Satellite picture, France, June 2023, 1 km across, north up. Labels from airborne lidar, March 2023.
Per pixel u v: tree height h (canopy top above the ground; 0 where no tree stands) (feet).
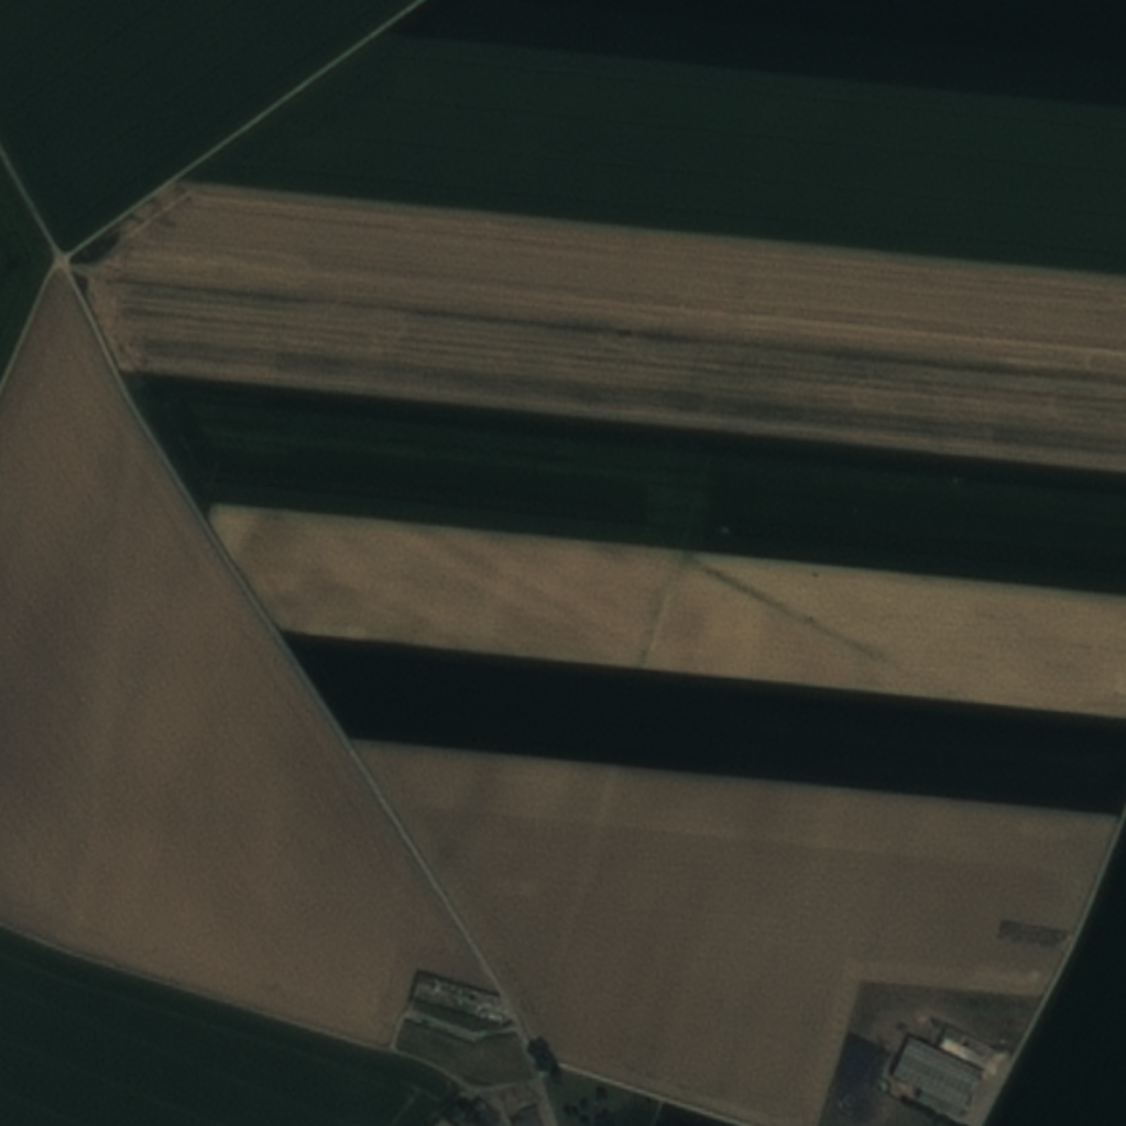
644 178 0
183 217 0
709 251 0
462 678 0
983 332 0
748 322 0
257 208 0
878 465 0
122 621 0
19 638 0
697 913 0
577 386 0
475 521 0
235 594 0
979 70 0
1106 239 0
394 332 0
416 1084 0
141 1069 0
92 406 0
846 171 0
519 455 0
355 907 0
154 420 0
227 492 0
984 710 0
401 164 0
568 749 0
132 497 0
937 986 0
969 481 0
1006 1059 0
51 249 0
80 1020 0
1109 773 0
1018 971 0
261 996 0
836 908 0
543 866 0
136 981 0
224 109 0
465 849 0
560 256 0
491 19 0
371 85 0
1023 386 0
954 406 0
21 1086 0
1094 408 0
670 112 0
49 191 0
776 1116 0
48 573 0
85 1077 0
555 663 0
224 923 0
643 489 0
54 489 0
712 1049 0
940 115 0
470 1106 33
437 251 0
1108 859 0
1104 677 0
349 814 0
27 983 0
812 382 0
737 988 0
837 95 0
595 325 0
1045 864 0
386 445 0
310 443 0
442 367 0
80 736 0
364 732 0
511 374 0
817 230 0
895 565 0
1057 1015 0
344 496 0
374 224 0
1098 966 0
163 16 0
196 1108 0
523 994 0
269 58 0
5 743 0
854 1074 0
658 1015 0
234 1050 0
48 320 0
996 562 0
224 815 0
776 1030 0
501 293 0
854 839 0
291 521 0
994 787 0
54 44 0
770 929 0
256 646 0
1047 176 0
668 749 0
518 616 0
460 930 0
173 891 0
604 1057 0
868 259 0
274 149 0
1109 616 0
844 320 0
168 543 0
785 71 0
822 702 0
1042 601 0
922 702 0
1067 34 0
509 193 0
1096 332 0
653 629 0
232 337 0
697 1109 0
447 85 0
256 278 0
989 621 0
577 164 0
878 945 0
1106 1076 0
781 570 0
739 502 0
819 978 0
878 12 0
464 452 0
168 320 0
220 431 0
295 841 0
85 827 0
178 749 0
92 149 0
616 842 0
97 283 0
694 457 0
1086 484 0
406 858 0
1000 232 0
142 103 0
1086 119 0
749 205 0
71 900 0
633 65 0
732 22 0
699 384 0
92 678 0
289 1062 0
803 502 0
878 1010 0
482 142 0
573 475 0
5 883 0
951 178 0
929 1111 25
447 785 0
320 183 0
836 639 0
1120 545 0
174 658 0
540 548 0
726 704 0
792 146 0
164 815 0
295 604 0
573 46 0
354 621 0
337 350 0
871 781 0
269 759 0
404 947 0
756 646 0
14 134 0
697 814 0
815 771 0
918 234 0
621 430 0
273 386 0
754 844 0
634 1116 0
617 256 0
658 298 0
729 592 0
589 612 0
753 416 0
